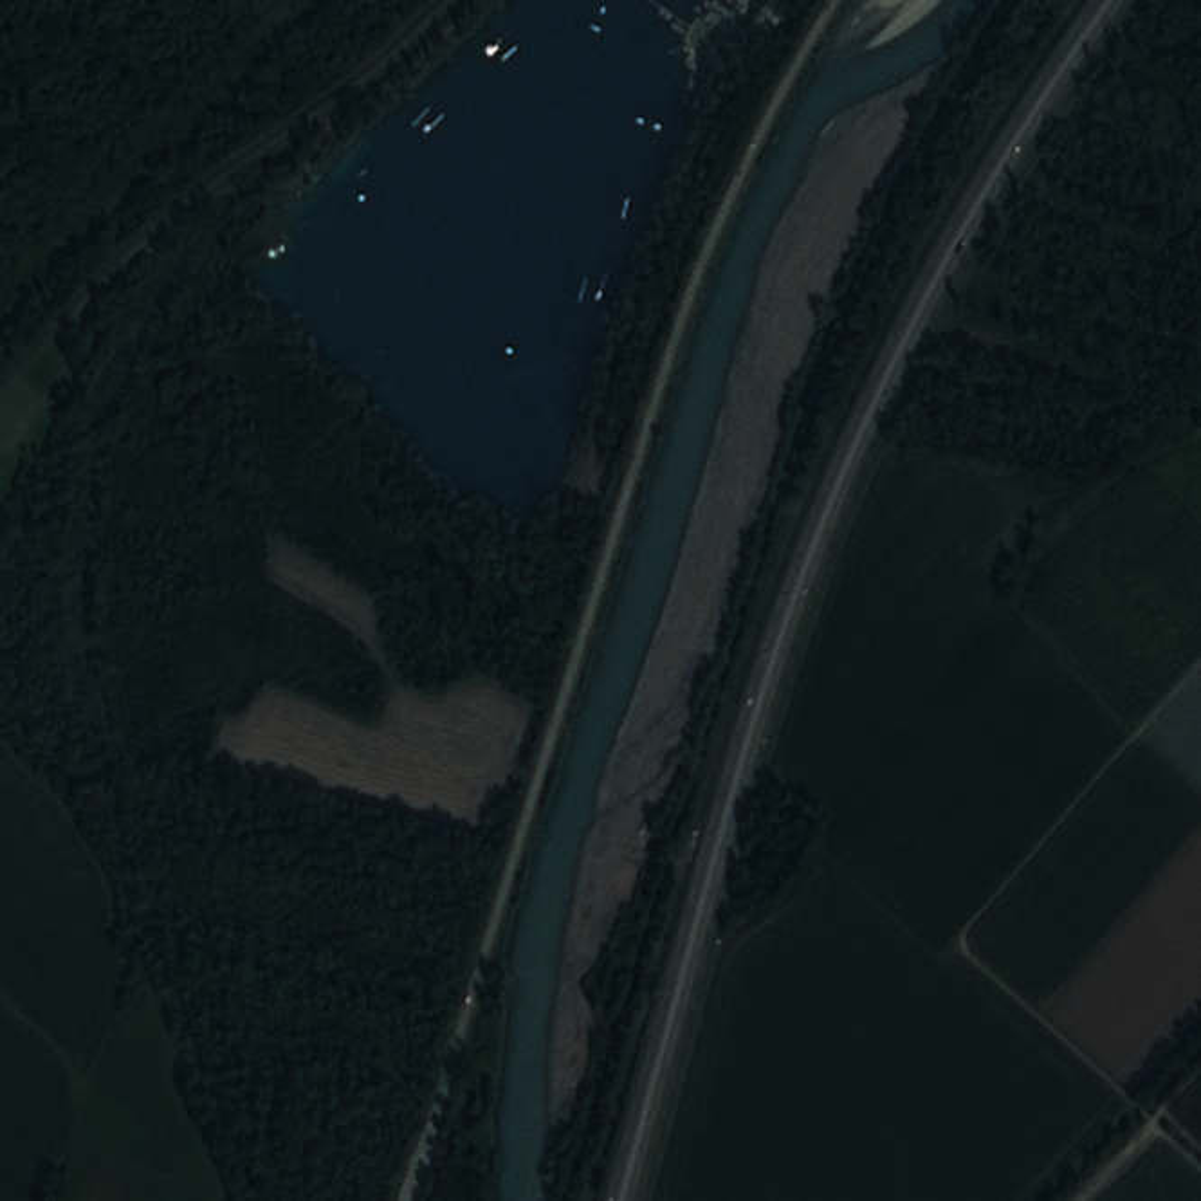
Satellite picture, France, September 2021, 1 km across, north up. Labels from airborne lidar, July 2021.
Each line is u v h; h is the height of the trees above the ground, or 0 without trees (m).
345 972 7
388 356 0
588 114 0
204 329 23
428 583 7
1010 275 21
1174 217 15
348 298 0
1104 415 19
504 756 0
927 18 0
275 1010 14
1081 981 0
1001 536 0
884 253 22
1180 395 12
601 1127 18
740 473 0
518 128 0
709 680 13
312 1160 23
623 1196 0
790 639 0
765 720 0
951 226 0
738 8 0
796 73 0
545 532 25
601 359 21
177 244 19
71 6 16
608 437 26
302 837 25
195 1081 23
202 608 7
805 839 24
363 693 12
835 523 0
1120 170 20
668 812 10
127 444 12
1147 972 0
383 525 29
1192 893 0
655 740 0
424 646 6
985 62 22
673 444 0
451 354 0
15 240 26
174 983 24
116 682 8
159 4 24
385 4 21
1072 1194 12
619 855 0
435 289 0
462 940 26
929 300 0
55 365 0
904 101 0
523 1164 0
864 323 25
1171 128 34
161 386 18
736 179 0
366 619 0
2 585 22
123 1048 0
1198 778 0
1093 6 0
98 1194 0
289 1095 23
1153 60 8
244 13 13
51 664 17
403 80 22
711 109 20
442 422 0
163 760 7
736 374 0
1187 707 0
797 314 0
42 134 18
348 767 0
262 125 24
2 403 0
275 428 6
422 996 6
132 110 18
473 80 0
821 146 0
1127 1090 0
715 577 0
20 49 17
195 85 13
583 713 0
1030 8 27
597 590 0
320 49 25
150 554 7
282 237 0
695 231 19
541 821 7
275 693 0
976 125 25
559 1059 0
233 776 22
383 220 0
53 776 11
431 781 0
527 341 0
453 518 16
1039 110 0
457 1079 18
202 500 7
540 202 0
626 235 0
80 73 26
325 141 22
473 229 0
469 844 22
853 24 0
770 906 18
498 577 29
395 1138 20
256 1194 22
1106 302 29
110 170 24
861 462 0
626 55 0
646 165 0
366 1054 6
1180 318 27
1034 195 15
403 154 0
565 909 0
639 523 0
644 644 0
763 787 11
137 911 21
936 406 19
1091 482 9
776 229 0
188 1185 0
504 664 25
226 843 7
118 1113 0
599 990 0
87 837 12
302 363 9
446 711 0
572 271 0
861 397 0
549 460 0
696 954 0
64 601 21
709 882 0
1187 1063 18
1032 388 26
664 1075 0
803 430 8
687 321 0
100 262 26
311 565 0
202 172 18
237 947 12
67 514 15
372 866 29
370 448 5
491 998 19
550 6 0
